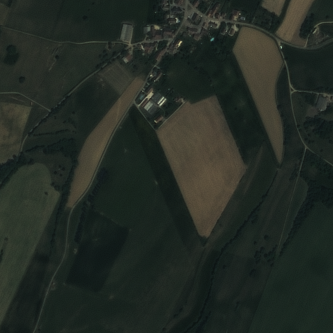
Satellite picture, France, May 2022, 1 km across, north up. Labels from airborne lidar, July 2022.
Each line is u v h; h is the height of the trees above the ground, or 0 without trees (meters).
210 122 0
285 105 0
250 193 0
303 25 9
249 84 0
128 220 0
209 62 0
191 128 0
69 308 0
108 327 0
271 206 0
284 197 0
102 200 0
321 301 0
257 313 0
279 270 0
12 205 0
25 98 0
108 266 0
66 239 0
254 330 0
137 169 0
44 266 0
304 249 0
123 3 0
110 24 0
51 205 0
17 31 0
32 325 0
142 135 0
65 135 0
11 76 0
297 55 0
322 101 0
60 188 14
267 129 0
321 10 0
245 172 0
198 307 0
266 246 0
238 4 0
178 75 0
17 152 0
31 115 0
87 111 0
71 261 0
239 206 0
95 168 0
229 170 0
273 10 0
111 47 8
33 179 0
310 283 0
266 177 0
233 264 0
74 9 0
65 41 0
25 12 0
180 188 0
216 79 0
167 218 0
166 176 0
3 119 0
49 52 0
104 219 0
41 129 0
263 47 0
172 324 0
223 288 0
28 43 0
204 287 0
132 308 0
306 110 0
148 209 0
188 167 0
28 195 0
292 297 0
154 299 0
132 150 0
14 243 0
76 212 0
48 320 0
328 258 0
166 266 0
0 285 0
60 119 0
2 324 0
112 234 0
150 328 0
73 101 0
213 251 0
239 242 0
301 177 8
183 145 0
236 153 0
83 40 0
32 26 0
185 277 0
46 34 0
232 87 0
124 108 0
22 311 0
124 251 0
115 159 0
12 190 0
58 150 7
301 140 0
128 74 0
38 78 0
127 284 0
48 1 0
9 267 0
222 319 0
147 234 0
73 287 0
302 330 0
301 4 0
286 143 13
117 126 0
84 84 0
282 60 0
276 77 0
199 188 0
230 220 0
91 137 0
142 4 0
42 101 0
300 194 0
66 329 0
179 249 0
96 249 0
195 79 0
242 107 0
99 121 0
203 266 0
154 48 6
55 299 0
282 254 8
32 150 9
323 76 0
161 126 0
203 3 12
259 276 0
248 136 0
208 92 0
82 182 0
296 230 11
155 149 0
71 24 0
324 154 0
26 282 0
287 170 0
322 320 0
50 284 0
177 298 0
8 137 0
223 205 0
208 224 0
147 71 0
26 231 0
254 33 0
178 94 0
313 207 15
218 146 0
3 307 0
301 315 0
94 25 0
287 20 0
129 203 0
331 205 10
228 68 0
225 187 0
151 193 0
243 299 0
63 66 0
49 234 0
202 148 0
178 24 5
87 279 0
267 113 0
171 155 0
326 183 0
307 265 0
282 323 0
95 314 0
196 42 0
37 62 0
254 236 0
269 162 0
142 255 0
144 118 0
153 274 0
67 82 0
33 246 0
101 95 0
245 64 0
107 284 0
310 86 0
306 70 0
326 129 14
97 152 0
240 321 0
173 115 0
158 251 0
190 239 0
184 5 0
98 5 0
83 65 0
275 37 0
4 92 0
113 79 0
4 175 19
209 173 0
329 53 0
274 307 0
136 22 0
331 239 0
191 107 0
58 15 0
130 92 0
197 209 0
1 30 9
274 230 0
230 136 0
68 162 0
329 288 0
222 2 0
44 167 0
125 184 0
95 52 0
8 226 0
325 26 0
